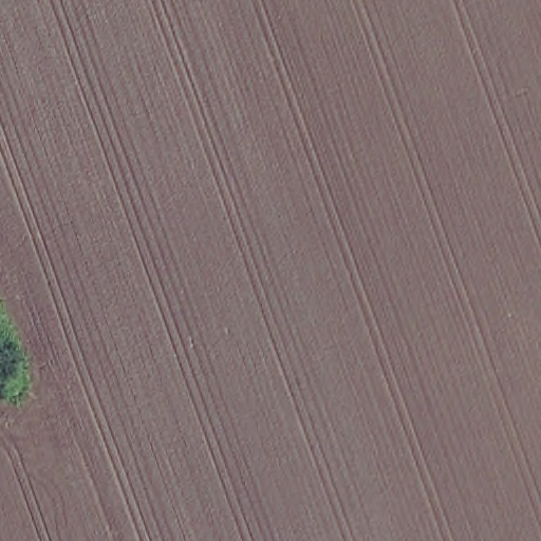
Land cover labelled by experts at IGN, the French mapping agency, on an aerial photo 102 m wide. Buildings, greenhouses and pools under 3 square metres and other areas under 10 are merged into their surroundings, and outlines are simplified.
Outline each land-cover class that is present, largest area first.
<instances>
[{"label":"agricultural land","instance_id":"1","mask_svg":"<svg viewBox=\"0 0 541 541\"><path fill-rule=\"evenodd\" d=\"M0 302L8 319L13 321L30 361V391L25 402L13 406L0 399V541H541V0H0Z\"/></svg>","mask_w":541,"mask_h":541},{"label":"herbaceous vegetation","instance_id":"2","mask_svg":"<svg viewBox=\"0 0 541 541\"><path fill-rule=\"evenodd\" d=\"M17 342V347L6 353L8 359H17V372L6 380V387L0 385V399L13 406L25 402L30 391V361L13 321L8 319L0 302V344Z\"/></svg>","mask_w":541,"mask_h":541},{"label":"deciduous trees","instance_id":"3","mask_svg":"<svg viewBox=\"0 0 541 541\"><path fill-rule=\"evenodd\" d=\"M17 347V342L0 344V385L6 387V380L17 372V359H8L6 353Z\"/></svg>","mask_w":541,"mask_h":541}]
</instances>
